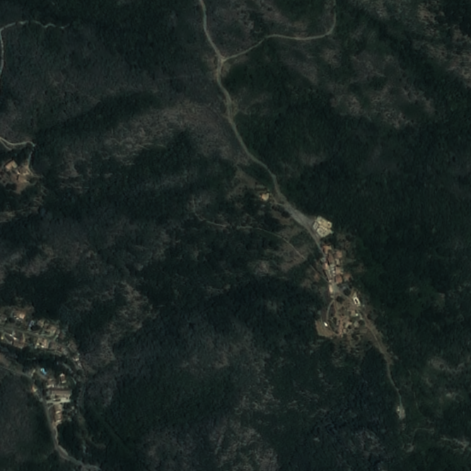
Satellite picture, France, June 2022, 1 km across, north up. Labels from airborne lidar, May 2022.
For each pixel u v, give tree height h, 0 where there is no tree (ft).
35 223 30
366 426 47
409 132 20
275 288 39
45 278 22
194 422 34
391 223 38
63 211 43
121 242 31
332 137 31
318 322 25
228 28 0
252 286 45
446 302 30
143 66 25
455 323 47
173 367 21
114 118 32
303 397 33
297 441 51
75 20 45
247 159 0
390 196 32
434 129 26
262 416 27
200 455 28
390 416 19
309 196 21
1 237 21
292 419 42
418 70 39
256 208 28
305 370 29
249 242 31
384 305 24
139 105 38
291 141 23
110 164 29
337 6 35
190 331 19
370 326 0
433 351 18
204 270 32
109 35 30
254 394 22
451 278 19
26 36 33
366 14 23
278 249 36
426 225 40
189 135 26
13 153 55
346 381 29
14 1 28
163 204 37
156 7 32
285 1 18
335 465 35
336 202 30
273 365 20
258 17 39
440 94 39
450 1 26
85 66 19
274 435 36
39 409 37
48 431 48
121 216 20
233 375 22
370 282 22
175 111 0
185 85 0
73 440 42
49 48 28
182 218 23
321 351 20
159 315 26
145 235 23
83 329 42
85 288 19
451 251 30
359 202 31
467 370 36
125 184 48
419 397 22
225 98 0
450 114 33
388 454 39
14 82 19
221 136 0
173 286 40
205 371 22
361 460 29
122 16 45
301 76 0
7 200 28
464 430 36
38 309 54
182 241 25
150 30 38
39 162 24
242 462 24
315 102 36
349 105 18
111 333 18
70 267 21
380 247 20
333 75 27
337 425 42
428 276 23
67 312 48
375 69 20
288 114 30
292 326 22
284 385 33
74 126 41
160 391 39
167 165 52
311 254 0
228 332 25
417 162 24
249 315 31
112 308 30
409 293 29
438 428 25
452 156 23
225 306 33
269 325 23
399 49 35
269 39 18
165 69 24
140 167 35
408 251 37
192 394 28
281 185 28
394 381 27
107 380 0
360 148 35
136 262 22
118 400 44
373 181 31
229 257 42
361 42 37
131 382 30
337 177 37
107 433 48
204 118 0
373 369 35
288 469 45
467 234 35
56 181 26
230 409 25
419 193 34
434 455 46
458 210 32
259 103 30
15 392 0
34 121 45
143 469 22
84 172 31
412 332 24
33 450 37
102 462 44
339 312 0
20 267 21
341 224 40
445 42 42
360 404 29
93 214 25
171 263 42
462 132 55
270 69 30
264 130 33
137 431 49
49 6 27
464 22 37
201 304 27
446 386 19
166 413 49
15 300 41
